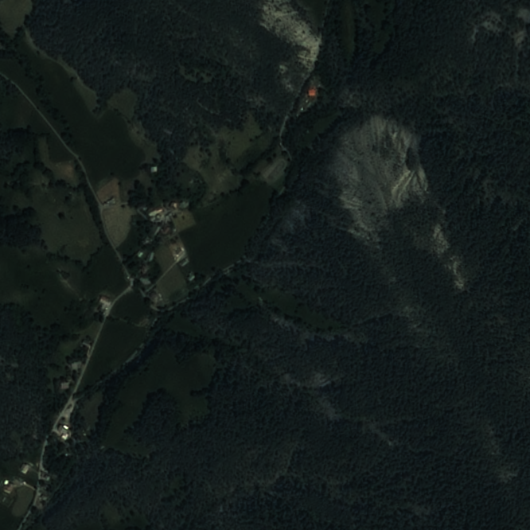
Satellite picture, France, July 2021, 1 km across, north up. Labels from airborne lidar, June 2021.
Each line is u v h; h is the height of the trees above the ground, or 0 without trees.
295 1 8
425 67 7
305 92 12
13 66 0
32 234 13
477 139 13
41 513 7
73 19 13
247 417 21
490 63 14
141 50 6
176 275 0
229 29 7
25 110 0
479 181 10
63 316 0
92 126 0
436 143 19
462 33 10
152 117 16
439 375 7
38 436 7
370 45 15
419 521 16
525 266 20
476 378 12
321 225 12
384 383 11
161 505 17
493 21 8
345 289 10
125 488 12
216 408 22
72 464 7
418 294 9
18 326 16
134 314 0
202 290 10
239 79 11
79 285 0
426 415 13
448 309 9
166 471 10
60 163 0
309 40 0
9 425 12
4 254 0
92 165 0
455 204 14
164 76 6
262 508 13
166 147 14
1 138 23
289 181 13
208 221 0
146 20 9
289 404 9
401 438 11
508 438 11
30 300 0
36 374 16
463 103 6
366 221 0
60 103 0
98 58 10
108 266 0
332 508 17
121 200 0
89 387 13
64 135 15
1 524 0
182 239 0
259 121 7
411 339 7
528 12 0
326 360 12
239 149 0
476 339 14
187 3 9
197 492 14
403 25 17
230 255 0
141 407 0
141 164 0
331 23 13
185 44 8
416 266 8
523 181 18
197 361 0
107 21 10
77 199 0
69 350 0
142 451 0
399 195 0
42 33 11
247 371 13
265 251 8
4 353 14
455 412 9
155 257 7
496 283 15
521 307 19
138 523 0
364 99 10
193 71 10
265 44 9
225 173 0
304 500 20
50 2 11
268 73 8
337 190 7
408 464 12
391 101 9
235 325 14
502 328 10
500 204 17
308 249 12
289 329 13
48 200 0
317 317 0
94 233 0
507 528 8
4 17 0
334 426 15
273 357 10
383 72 17
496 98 8
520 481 9
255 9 6
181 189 12
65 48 10
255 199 0
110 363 0
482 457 7
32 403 10
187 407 0
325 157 13
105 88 11
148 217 7
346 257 12
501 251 20
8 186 15
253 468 12
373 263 8
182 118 8
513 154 15
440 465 16
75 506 12
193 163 0
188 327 0
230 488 13
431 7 14
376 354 14
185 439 16
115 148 0
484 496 11
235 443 14
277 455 8
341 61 17
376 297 7
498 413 9
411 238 8
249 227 0
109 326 0
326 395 8
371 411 12
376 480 14
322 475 12
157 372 0
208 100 8
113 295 0
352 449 8
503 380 12
